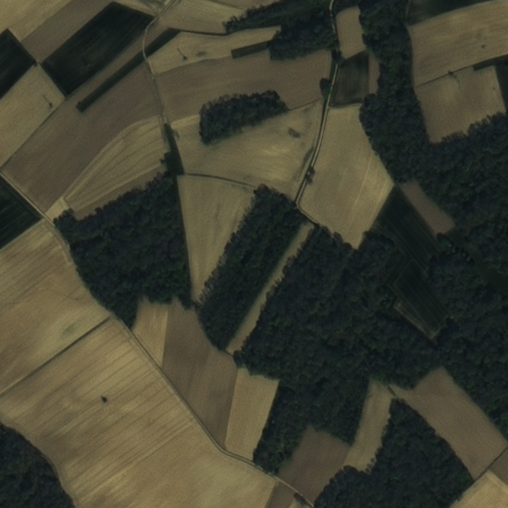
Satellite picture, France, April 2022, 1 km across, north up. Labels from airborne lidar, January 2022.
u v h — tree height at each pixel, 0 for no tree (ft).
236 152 0
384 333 97
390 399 0
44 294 0
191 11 0
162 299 81
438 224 0
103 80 0
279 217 88
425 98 0
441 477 104
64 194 0
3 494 115
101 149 0
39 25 0
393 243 58
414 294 0
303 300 114
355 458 0
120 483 0
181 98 0
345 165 0
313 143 0
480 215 98
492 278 0
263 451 76
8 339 0
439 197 85
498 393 99
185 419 0
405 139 97
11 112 0
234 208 0
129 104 0
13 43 0
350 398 60
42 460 56
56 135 0
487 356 107
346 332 102
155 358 0
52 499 112
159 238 97
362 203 0
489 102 0
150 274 93
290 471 0
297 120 0
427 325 0
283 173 0
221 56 0
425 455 105
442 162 94
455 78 0
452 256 45
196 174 0
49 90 0
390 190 0
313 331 103
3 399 0
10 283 0
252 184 0
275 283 0
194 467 0
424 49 0
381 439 0
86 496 0
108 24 0
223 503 0
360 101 0
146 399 0
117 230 97
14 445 100
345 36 0
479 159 103
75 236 33
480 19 0
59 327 0
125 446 0
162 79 0
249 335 0
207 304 72
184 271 84
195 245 0
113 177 0
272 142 0
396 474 117
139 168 0
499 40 0
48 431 0
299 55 31
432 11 0
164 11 0
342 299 86
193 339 0
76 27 0
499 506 0
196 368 0
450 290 113
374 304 117
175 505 0
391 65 81
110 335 0
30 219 0
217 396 0
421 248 0
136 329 0
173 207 77
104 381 0
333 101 0
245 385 0
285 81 0
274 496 0
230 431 0
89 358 0
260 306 0
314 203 0
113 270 105
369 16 92
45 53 0
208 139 75
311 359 118
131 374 0
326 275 108
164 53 0
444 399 0
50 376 0
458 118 0
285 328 97
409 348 83
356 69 0
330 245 78
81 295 0
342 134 0
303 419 100
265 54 0
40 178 0
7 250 0
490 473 0
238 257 88
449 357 89
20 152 0
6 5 0
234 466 0
